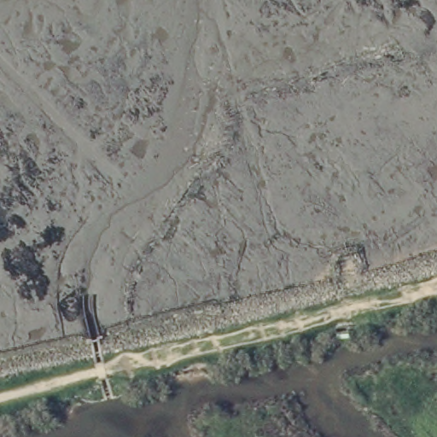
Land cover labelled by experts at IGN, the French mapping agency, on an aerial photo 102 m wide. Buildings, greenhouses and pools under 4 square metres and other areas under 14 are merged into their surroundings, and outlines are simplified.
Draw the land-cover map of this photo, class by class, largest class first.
<instances>
[{"label":"bare soil","instance_id":"1","mask_svg":"<svg viewBox=\"0 0 437 437\"><path fill-rule=\"evenodd\" d=\"M345 242H362L365 253L369 256L370 265L374 266L387 265L413 254L437 249V0H0V347H19L27 343V338L43 336V340H48L60 336L55 329L56 309L67 319V335L82 331L84 326L77 321L79 316L75 306L79 297H85L87 294L96 295L97 318L102 326H106L125 321V326H130L135 321H149L152 318L164 323L171 319L174 312L196 311L208 306L218 307V311L225 312L232 304L265 299L273 294L304 288L302 283L306 282L307 278L323 280L329 277L331 268L336 266L338 256L329 253V248ZM179 382L196 381L203 377L198 365H184L172 372Z\"/></svg>","mask_w":437,"mask_h":437},{"label":"pervious surface","instance_id":"2","mask_svg":"<svg viewBox=\"0 0 437 437\"><path fill-rule=\"evenodd\" d=\"M329 253L338 256L336 266L331 268L329 277L323 280L307 278L306 282L302 283L304 288L273 294L265 299L232 304L225 312L218 311V307L208 306L196 311L174 312L171 319L164 323L152 318L149 321H135L130 326H125V321L106 326V352H113L119 348H137L140 345L154 343L160 338L201 335L207 329L232 328L237 324L249 323L253 319L270 318L288 309L323 304L343 295L394 287L396 282H413L425 278L427 283H420L418 290H415V287L401 288V297L398 299L350 300L343 306L329 307L288 321L258 324L210 336V343L213 345L210 350L193 348L188 353H171L174 348L188 347V343H171L169 347H162L166 358L149 360L143 357L142 353H128L126 358L118 360L114 357L113 360L101 364L96 365L92 369L77 370L67 376L51 377L0 393V403L26 398L31 394L50 393L58 387L87 381L92 377L111 376L123 372L128 377H135V370L140 367L160 369L176 364L179 360L215 353L277 340L285 338L290 333L304 331L324 326L338 318H352L357 312L381 311L401 304H410L423 297L437 295V249L413 254L387 265L374 266L370 265L369 256L365 253L362 242H345L329 248ZM67 319L56 309L55 329L60 336L48 340H43V336L27 338V343L19 347H0V379L3 376L48 369L51 365L68 364L75 360H92V340L84 338L82 331L67 335Z\"/></svg>","mask_w":437,"mask_h":437},{"label":"herbaceous vegetation","instance_id":"3","mask_svg":"<svg viewBox=\"0 0 437 437\"><path fill-rule=\"evenodd\" d=\"M420 283H427L425 278L413 282H396L394 287L343 295L323 304L288 309L270 318L253 319L249 323L237 324L232 328L207 329L201 335L160 338L154 343L140 345L137 348H119L113 352H102L101 364L113 360L114 357L118 360L126 358L128 353H142L143 357L149 360L166 358L162 347H169L171 343H188V347L174 348L171 353H188L193 348L210 350L213 345L210 343V336L258 324L288 321L329 307L343 306L350 300L398 299L401 297V288L415 287V290H418ZM410 304H401L381 311L357 312L352 318H338L324 326L304 331L307 336L316 338L328 333L338 324H377L381 323L387 311L393 314L408 312ZM341 393L347 394L353 406L369 418L370 427L379 430L386 437H437V352L420 353L418 357H408L398 364H384L382 367L367 364L362 369L350 370L340 377ZM218 364L215 353L179 360L176 364L160 369L140 367L135 370V377H128L123 372L111 376L92 377L87 381L58 387L50 393L31 394L26 398L0 403V415L10 417L14 413H24L44 403L56 422H65L68 406H79L84 399L102 401L118 398L133 379L145 381L162 376L172 372L184 365H198ZM96 365L92 360H75L68 364L51 365L48 369L3 376L0 379V393L51 377L67 376L77 370L92 369ZM263 427H273L282 434L280 411L273 408L268 399L236 406V415L232 418L220 417L218 410L210 417L207 425L212 437H258L259 428Z\"/></svg>","mask_w":437,"mask_h":437},{"label":"water","instance_id":"4","mask_svg":"<svg viewBox=\"0 0 437 437\"><path fill-rule=\"evenodd\" d=\"M370 331L377 338V347L372 350L353 352L340 345L328 348L319 362L288 365L283 369L277 365L261 376L242 374L236 384L225 386L203 377L196 381L179 382L172 372L162 376L167 386L166 399L149 405L130 406L118 398L102 401L84 399L79 406H68L65 422H56V427L51 430L31 427L26 434L15 437H193L188 428L189 413L205 405L217 406L218 410L220 417L232 418L236 415V406L268 399L278 396L294 399L299 405L300 417L306 425L309 437H386L379 430L370 427L369 418L353 406L347 394L341 393L340 377L350 370L362 369L367 364L382 367L384 364H398L408 357H418L420 353L437 352V329L428 333L396 335L377 324H372Z\"/></svg>","mask_w":437,"mask_h":437},{"label":"brushwood","instance_id":"5","mask_svg":"<svg viewBox=\"0 0 437 437\"><path fill-rule=\"evenodd\" d=\"M396 335L428 333L437 329V295L423 297L410 304L408 312L393 314L387 311L381 323L377 324ZM372 324H338L328 333L316 338L307 336L304 331L290 333L285 338L277 340L215 353L218 364L198 365L203 377L225 386L236 384L242 374L261 376L277 365L283 369L288 365L319 362L328 348L340 345L353 352L372 350L377 347V338L370 331ZM167 386L162 376L145 381L133 379L118 398L130 406L149 405L166 399ZM273 408L280 411L282 434L273 427H263L259 428L258 437H309L306 425L300 417L299 405L294 399L278 396L268 399ZM31 427L51 430L56 427V422L44 403L24 413H14L10 417L0 415V437H15L26 434ZM218 410L217 406L205 405L189 413L188 428L193 437H212L207 425L210 417Z\"/></svg>","mask_w":437,"mask_h":437},{"label":"impervious surface","instance_id":"6","mask_svg":"<svg viewBox=\"0 0 437 437\"><path fill-rule=\"evenodd\" d=\"M79 316L77 321L84 326L82 331L84 338L92 340V360L96 365L101 364L102 352H106V326H102L97 318L96 295L87 294L85 297H79L75 306Z\"/></svg>","mask_w":437,"mask_h":437}]
</instances>
